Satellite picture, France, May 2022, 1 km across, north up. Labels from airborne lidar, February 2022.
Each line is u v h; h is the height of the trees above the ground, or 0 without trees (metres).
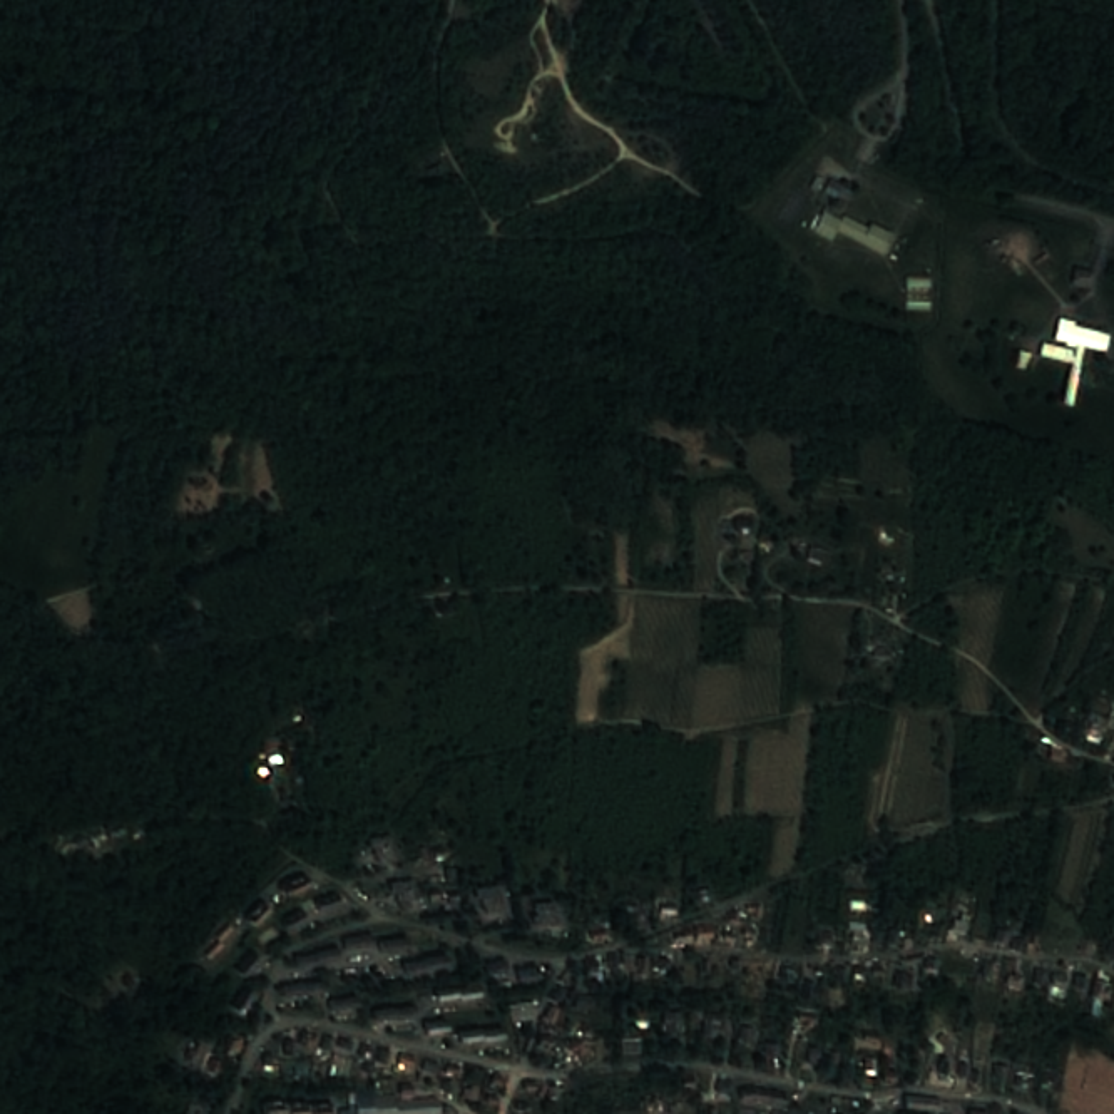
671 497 9
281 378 19
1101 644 6
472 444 9
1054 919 0
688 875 8
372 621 16
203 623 13
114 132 10
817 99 10
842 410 17
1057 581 9
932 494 9
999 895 9
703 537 0
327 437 14
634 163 0
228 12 22
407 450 18
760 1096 0
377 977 16
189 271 16
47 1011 25
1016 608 0
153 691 29
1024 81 19
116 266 18
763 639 0
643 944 8
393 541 7
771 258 11
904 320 9
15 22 23
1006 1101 0
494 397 13
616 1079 0
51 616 20
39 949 23
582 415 14
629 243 17
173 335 18
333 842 5
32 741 18
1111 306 0
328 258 12
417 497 7
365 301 15
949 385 0
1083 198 18
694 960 10
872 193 0
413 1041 0
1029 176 21
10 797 17
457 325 12
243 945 8
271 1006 0
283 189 19
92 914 21
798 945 0
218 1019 7
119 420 12
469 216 13
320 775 8
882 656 0
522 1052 9
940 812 0
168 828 21
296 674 8
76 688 27
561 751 6
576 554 7
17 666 21
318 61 13
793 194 0
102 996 14
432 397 16
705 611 6
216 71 14
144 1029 18
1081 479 6
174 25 23
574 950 11
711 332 10
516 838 7
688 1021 6
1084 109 25
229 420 17
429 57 11
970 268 0
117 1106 21
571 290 12
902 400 14
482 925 9
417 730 11
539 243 8
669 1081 7
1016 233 0
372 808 8
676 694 0
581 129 0
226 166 8
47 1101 22
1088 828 0
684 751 5
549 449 9
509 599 11
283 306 20
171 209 8
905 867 8
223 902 11
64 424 20
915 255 0
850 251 0
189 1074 9
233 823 26
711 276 13
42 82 0
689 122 13
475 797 7
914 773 0
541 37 0
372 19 7
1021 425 0
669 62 7
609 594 9
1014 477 10
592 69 7
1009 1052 6
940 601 11
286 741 6
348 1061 0
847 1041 12
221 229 14
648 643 0
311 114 7
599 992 14
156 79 20
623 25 8
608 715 0
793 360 6
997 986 0
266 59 17
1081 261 0
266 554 15
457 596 9
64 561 0
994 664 0
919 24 15
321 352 8
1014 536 13
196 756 21
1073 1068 0
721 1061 7
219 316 17
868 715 6
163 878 7
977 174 18
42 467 15
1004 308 0
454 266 12
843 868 7
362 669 15
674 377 11
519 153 0
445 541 14
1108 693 0
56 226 19
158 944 17
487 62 0
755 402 19
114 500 18
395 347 15
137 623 7
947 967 0
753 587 12
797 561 14
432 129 7
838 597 6
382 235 9
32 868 26
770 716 0
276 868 0
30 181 9
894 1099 0
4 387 23
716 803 0
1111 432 0
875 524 0
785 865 0
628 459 8
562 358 16
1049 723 9
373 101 10
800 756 0
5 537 0
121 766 17
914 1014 8
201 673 14
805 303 10
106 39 20
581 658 0
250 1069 0
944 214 0
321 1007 0
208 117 16
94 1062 16
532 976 0
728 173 10
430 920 10
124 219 9
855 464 6
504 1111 0
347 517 6
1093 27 21
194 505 13
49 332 15
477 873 9
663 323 10
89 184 19
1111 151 26
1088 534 0
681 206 14
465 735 8
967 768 10
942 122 19
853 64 13
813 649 0
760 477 0
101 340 18
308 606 11
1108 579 10
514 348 13
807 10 15
